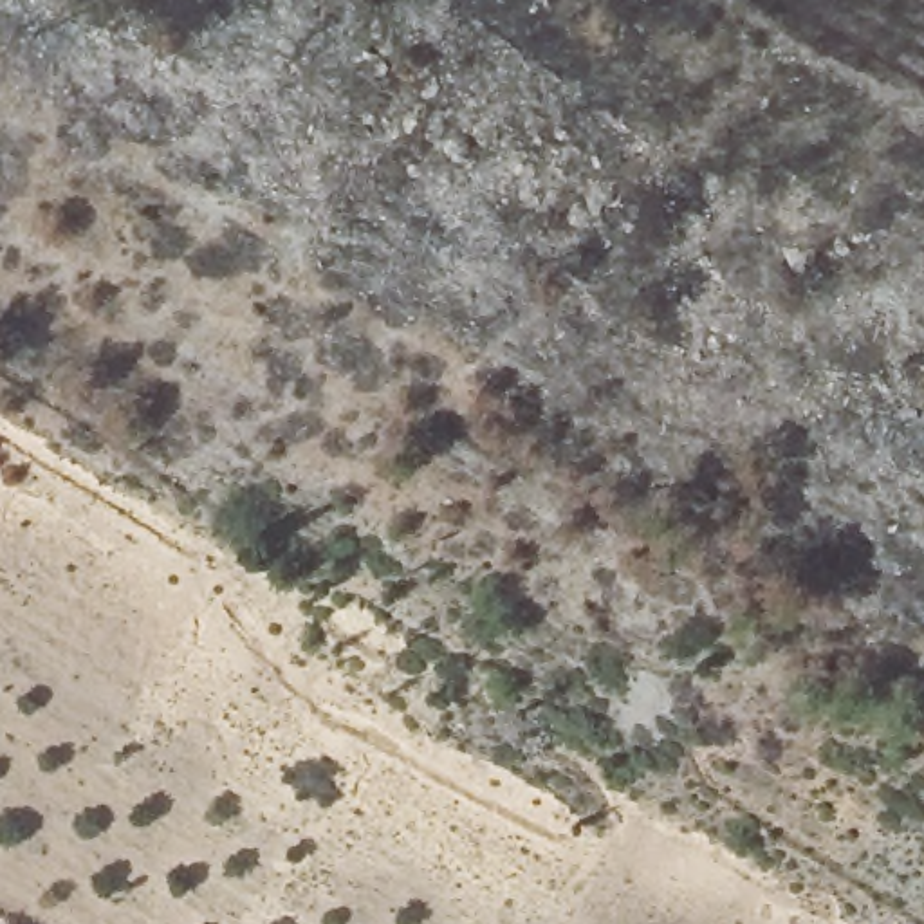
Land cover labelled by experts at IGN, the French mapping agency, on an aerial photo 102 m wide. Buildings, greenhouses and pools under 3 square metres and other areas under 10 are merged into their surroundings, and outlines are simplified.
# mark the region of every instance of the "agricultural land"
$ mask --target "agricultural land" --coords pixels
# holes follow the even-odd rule
[[[390,704],[383,704],[375,715],[368,707],[357,711],[354,697],[343,689],[343,671],[318,657],[307,668],[296,668],[292,653],[303,646],[307,628],[300,592],[292,588],[271,585],[271,578],[260,570],[245,570],[227,545],[213,538],[191,534],[191,527],[177,513],[177,502],[152,505],[126,487],[101,484],[90,469],[69,462],[65,455],[54,455],[43,437],[32,437],[29,430],[14,426],[11,415],[0,411],[0,924],[837,924],[841,902],[830,892],[794,895],[776,870],[762,870],[754,859],[736,855],[729,845],[711,841],[700,830],[679,830],[671,816],[646,801],[632,801],[624,790],[617,790],[606,801],[606,830],[574,834],[574,812],[563,801],[556,801],[552,790],[523,783],[509,769],[494,765],[491,758],[455,751],[451,744],[433,736],[408,733]],[[170,812],[148,827],[134,827],[130,812],[152,794],[166,794]],[[112,809],[108,830],[101,830],[97,837],[79,837],[76,816],[97,805]],[[97,895],[94,873],[101,873],[112,863],[130,863],[130,892]],[[173,895],[170,873],[191,863],[206,866],[206,881],[184,895]]]

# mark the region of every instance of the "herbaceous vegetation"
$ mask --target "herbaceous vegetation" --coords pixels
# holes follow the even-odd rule
[[[624,563],[624,556],[635,549],[635,538],[610,531],[574,531],[570,516],[585,505],[585,480],[570,469],[552,466],[545,473],[534,473],[531,480],[491,487],[491,458],[480,458],[462,444],[448,448],[430,466],[422,466],[433,487],[448,487],[451,505],[426,509],[422,531],[401,538],[404,552],[397,559],[404,570],[440,559],[451,563],[462,581],[494,578],[502,621],[513,628],[498,639],[498,650],[484,650],[476,639],[462,635],[462,628],[448,617],[448,592],[440,585],[415,588],[393,603],[383,596],[383,585],[372,570],[357,570],[343,585],[332,585],[328,596],[300,592],[307,628],[303,646],[292,653],[296,668],[307,668],[318,657],[343,671],[343,689],[354,697],[357,711],[368,707],[375,715],[383,704],[390,704],[408,733],[433,736],[451,744],[455,751],[491,758],[494,747],[516,740],[516,718],[505,711],[509,697],[502,693],[502,682],[487,671],[487,661],[509,661],[516,668],[527,668],[531,686],[545,693],[556,671],[581,668],[596,646],[596,635],[617,624],[628,635],[632,668],[628,693],[610,704],[610,718],[624,733],[628,747],[664,740],[657,718],[671,715],[668,686],[675,682],[675,675],[686,675],[693,689],[704,693],[715,718],[736,722],[733,744],[693,747],[693,754],[682,754],[675,772],[646,772],[624,790],[632,801],[646,801],[671,816],[679,830],[700,830],[711,841],[729,845],[736,855],[754,859],[762,870],[776,870],[794,895],[830,892],[841,902],[837,924],[924,924],[924,852],[917,837],[892,834],[881,827],[884,805],[870,783],[845,769],[830,769],[819,758],[823,729],[783,729],[783,689],[790,682],[794,668],[787,664],[783,650],[772,650],[754,632],[736,632],[733,610],[711,599],[707,578],[700,570],[675,570],[679,578],[689,578],[697,585],[697,596],[686,603],[642,592]],[[733,661],[715,679],[700,675],[700,664],[711,657],[707,650],[697,650],[682,661],[661,653],[661,642],[671,639],[693,614],[715,617],[722,624],[722,646],[729,646],[733,653]],[[430,693],[440,686],[433,664],[422,671],[397,668],[404,639],[426,617],[437,621],[440,642],[451,653],[473,657],[466,704],[430,704]]]
[[[552,790],[556,801],[563,801],[574,812],[574,834],[606,830],[606,801],[617,790],[606,783],[599,762],[567,744],[545,751],[541,740],[527,740],[527,758],[509,769],[523,783]]]

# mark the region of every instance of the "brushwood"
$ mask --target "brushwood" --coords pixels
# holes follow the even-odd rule
[[[722,646],[722,624],[715,617],[693,614],[671,639],[661,642],[661,653],[682,661],[697,650],[707,650],[711,657],[700,664],[700,675],[715,679],[733,661],[733,653],[729,646]]]
[[[855,700],[855,686],[866,671],[866,661],[881,657],[881,650],[873,646],[827,653],[823,675],[805,686],[805,693],[790,682],[783,689],[783,729],[823,729],[819,758],[830,769],[845,769],[870,783],[884,805],[881,827],[892,834],[917,837],[924,852],[924,733],[913,729],[920,707],[906,679],[892,682],[892,697],[884,704]]]
[[[487,671],[502,682],[502,693],[509,697],[505,711],[516,718],[516,740],[494,747],[491,758],[494,765],[509,769],[527,758],[527,740],[541,740],[545,751],[567,744],[599,762],[606,783],[617,790],[624,790],[646,772],[675,772],[682,754],[693,754],[693,747],[733,744],[736,722],[715,718],[704,693],[693,689],[686,675],[675,675],[675,682],[668,686],[671,715],[657,718],[664,740],[628,747],[624,733],[610,718],[610,704],[628,693],[632,668],[628,635],[617,624],[596,635],[596,646],[581,668],[556,671],[545,693],[531,686],[527,668],[516,668],[509,661],[487,661]]]
[[[422,671],[433,664],[440,686],[430,693],[430,704],[466,704],[473,657],[451,653],[440,642],[437,621],[426,617],[404,639],[397,668]]]
[[[393,603],[415,588],[440,585],[448,592],[448,617],[462,628],[462,635],[476,639],[484,650],[498,650],[498,639],[513,628],[502,621],[494,578],[462,581],[451,563],[440,559],[404,570],[397,559],[383,552],[379,538],[357,534],[354,527],[339,527],[325,541],[314,541],[321,567],[300,578],[292,588],[300,592],[328,596],[332,585],[343,585],[357,570],[372,570],[383,585],[383,596]]]

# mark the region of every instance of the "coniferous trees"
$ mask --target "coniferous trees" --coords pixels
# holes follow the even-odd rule
[[[545,473],[552,466],[570,469],[585,480],[585,505],[570,516],[574,531],[610,531],[635,538],[635,549],[624,556],[624,563],[642,592],[686,603],[697,596],[697,585],[689,578],[679,578],[675,570],[700,570],[707,578],[711,599],[733,610],[736,632],[754,632],[772,650],[783,650],[801,639],[801,617],[816,603],[816,596],[798,588],[794,581],[783,581],[772,570],[772,559],[762,552],[765,538],[776,534],[776,523],[762,494],[780,484],[780,462],[769,451],[704,451],[689,480],[675,480],[671,473],[650,473],[646,458],[639,455],[635,433],[596,437],[592,430],[574,430],[567,411],[552,415],[541,408],[538,386],[523,383],[513,368],[476,372],[480,390],[473,397],[473,408],[462,415],[462,444],[480,458],[491,458],[491,487],[531,480],[534,473]]]

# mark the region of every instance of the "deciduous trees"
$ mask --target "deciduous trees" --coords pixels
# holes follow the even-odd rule
[[[112,285],[90,271],[79,271],[76,292],[61,296],[54,285],[32,296],[14,296],[0,314],[0,361],[11,365],[18,379],[29,379],[43,390],[36,404],[65,422],[69,440],[83,451],[123,451],[130,458],[144,444],[152,455],[177,462],[209,444],[217,426],[209,411],[191,408],[180,397],[177,383],[162,383],[166,365],[141,357],[141,336],[123,321],[123,314],[137,307],[159,310],[159,303],[166,300],[162,278],[119,278]]]
[[[300,534],[300,527],[310,523],[307,513],[282,505],[282,480],[231,491],[220,513],[213,516],[213,538],[227,545],[245,570],[260,570],[271,578],[271,585],[292,588],[300,578],[321,567],[314,541]]]
[[[130,863],[112,863],[101,873],[94,873],[97,895],[130,892]]]
[[[206,866],[191,863],[170,873],[173,895],[184,895],[206,881]]]
[[[97,837],[101,830],[108,830],[112,809],[97,805],[76,816],[79,837]]]
[[[152,794],[130,812],[134,827],[148,827],[170,812],[166,794]]]

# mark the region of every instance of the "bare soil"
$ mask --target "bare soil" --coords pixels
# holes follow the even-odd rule
[[[430,466],[448,448],[462,444],[462,415],[473,408],[473,397],[480,390],[476,372],[513,368],[523,383],[538,386],[541,408],[552,415],[567,411],[574,430],[592,430],[596,437],[635,433],[639,455],[646,458],[650,473],[671,473],[675,480],[689,480],[704,451],[769,451],[780,462],[780,484],[762,494],[776,523],[776,534],[765,538],[762,552],[772,559],[772,570],[783,581],[794,581],[798,588],[816,596],[816,603],[801,617],[801,639],[783,650],[787,664],[794,668],[790,682],[805,693],[805,686],[823,675],[827,653],[873,646],[881,650],[881,657],[866,661],[866,671],[855,686],[855,700],[884,704],[892,697],[892,682],[906,679],[920,707],[913,729],[924,733],[924,0],[0,0],[0,314],[14,296],[32,296],[54,285],[61,296],[76,292],[79,271],[90,271],[112,285],[119,278],[162,278],[166,300],[159,303],[159,310],[137,307],[123,314],[123,321],[141,336],[141,357],[166,365],[162,383],[177,383],[180,397],[191,408],[209,411],[217,426],[209,444],[177,462],[152,455],[144,444],[130,458],[123,451],[83,451],[69,440],[65,422],[36,404],[43,390],[29,379],[18,379],[11,365],[0,361],[0,411],[11,415],[14,426],[29,430],[32,437],[43,437],[54,455],[65,455],[69,462],[90,469],[101,484],[126,487],[152,505],[177,502],[177,513],[191,527],[191,534],[213,538],[213,516],[220,513],[231,491],[282,480],[282,505],[307,513],[310,523],[300,527],[300,534],[314,541],[325,541],[339,527],[354,527],[357,534],[379,538],[383,552],[397,559],[404,552],[401,538],[422,531],[426,509],[451,505],[448,487],[433,487],[422,466]]]

